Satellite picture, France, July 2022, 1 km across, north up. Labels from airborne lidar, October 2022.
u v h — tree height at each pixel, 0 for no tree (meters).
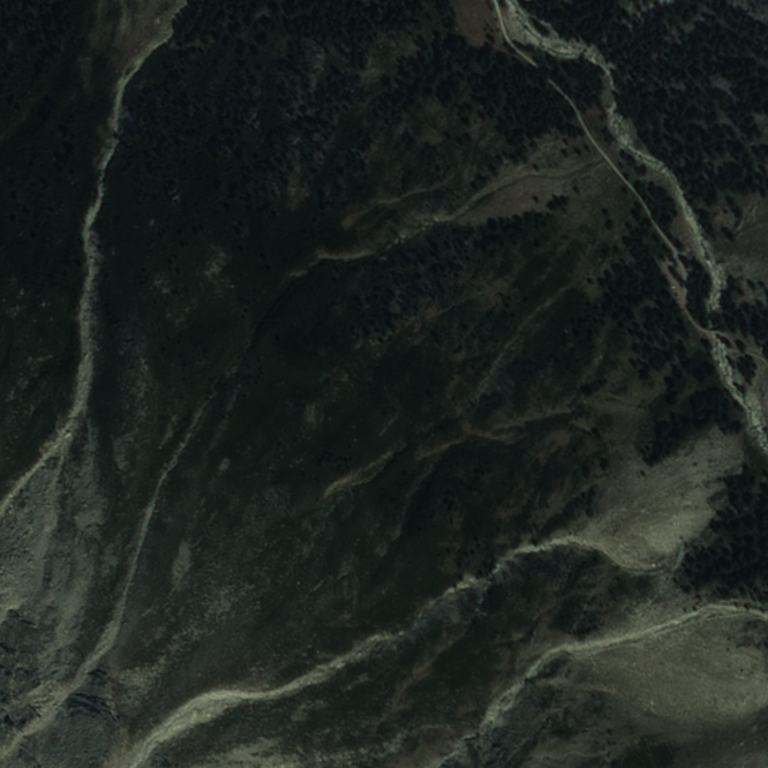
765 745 0
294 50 10
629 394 0
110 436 0
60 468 0
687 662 0
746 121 16
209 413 0
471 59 32
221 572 0
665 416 0
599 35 23
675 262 21
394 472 0
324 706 0
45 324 0
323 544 0
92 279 0
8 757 0
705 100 18
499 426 0
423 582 0
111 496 0
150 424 0
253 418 0
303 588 0
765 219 0
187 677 0
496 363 11
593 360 9
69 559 0
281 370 0
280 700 0
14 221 12
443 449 0
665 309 23
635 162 14
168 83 8
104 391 0
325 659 0
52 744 0
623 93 10
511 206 0
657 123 16
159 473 0
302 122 14
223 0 23
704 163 14
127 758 0
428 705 0
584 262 0
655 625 0
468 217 0
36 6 24
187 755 0
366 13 28
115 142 0
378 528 0
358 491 0
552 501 0
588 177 0
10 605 0
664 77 19
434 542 0
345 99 18
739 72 20
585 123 0
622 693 0
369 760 0
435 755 0
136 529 0
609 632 0
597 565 7
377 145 8
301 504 0
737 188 25
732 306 19
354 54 14
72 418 0
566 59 0
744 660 0
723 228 0
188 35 17
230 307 0
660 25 24
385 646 0
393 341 8
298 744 0
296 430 0
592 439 7
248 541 0
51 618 0
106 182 6
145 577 0
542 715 8
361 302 16
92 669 0
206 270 0
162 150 15
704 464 0
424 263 19
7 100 6
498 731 0
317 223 9
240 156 15
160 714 0
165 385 0
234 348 0
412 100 28
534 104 21
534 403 0
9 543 0
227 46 28
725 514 16
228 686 0
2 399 0
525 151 16
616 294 20
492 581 0
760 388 0
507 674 33
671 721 0
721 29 22
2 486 0
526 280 0
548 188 0
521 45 10
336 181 6
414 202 0
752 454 0
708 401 22
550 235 0
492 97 27
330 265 7
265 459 0
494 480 0
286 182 12
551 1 26
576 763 0
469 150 0
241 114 11
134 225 0
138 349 0
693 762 0
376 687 0
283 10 14
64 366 6
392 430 0
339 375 0
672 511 0
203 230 9
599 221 0
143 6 0
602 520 0
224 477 0
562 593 11
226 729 0
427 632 0
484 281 0
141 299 0
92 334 0
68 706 0
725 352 0
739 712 0
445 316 8
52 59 24
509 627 0
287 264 7
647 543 0
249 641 0
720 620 0
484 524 0
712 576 19
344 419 0
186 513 0
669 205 16
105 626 0
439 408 5
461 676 0
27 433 0
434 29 0
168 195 8
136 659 0
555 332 0
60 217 0
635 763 0
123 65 0
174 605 0
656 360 20
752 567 11
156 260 0
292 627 0
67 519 0
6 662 0
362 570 0
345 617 0
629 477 0
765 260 0
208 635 0
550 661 0
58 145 0
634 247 19
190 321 0
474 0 0
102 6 0
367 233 0
